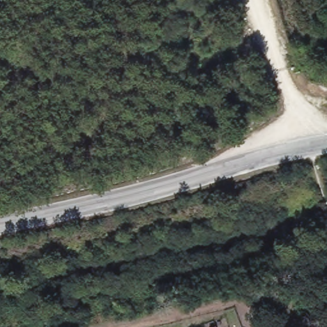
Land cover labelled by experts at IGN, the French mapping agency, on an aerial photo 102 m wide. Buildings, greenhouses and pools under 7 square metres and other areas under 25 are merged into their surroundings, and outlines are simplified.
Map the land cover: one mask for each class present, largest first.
<instances>
[{"label":"coniferous trees","instance_id":"1","mask_svg":"<svg viewBox=\"0 0 327 327\"><path fill-rule=\"evenodd\" d=\"M248 0H0V217L13 213L20 215L27 212L28 207L45 206L80 195H103L107 190L135 181L158 178L170 172L188 169L193 165H203L227 149L241 146L249 135L250 121L270 116L263 111L266 106H271L277 112L278 102L282 98L277 75L270 60L267 59V45L262 34L257 31L248 36L244 32L245 24L248 23L245 18Z\"/></svg>","mask_w":327,"mask_h":327},{"label":"deciduous trees","instance_id":"2","mask_svg":"<svg viewBox=\"0 0 327 327\"><path fill-rule=\"evenodd\" d=\"M321 167V178L326 190L324 195L314 179L312 161L309 158H284L280 165L268 167L247 179L217 178L215 183L204 188L190 192L179 190L172 195L175 203H166L163 207L146 208L134 215L118 213L110 220H101L87 226H65L64 229L24 235L23 238L15 236L11 239H0V327H107L110 322L134 321L151 316L155 310L178 308L180 312L189 313L202 304L213 303L216 300L225 301H244L250 307V312L245 314V318L252 327H284L291 310L298 309L308 310L312 316L317 317L319 326L316 327H327V158H316Z\"/></svg>","mask_w":327,"mask_h":327},{"label":"impervious surface","instance_id":"3","mask_svg":"<svg viewBox=\"0 0 327 327\"><path fill-rule=\"evenodd\" d=\"M327 158V134L300 135L287 139L286 142L250 149L224 160L216 161L215 157L203 165H193L188 169L170 172L158 178L135 181L107 190L103 195H80L45 206L28 207L27 212L20 215L13 213L0 217V239H11L15 236L23 238L24 235L64 229L65 226H87L101 220H110L118 213L134 215L146 208L163 207L166 203H175L172 195L179 190L190 192L204 188L215 183L217 178L247 179L268 167L280 165L284 158H309L312 161L314 179L324 195L326 190L321 178V167L316 158Z\"/></svg>","mask_w":327,"mask_h":327},{"label":"pervious surface","instance_id":"4","mask_svg":"<svg viewBox=\"0 0 327 327\"><path fill-rule=\"evenodd\" d=\"M245 18L248 23L245 24L244 32L248 36L257 31L262 34L267 45V59L270 60L277 75L282 98L285 105L284 114L275 123L249 135L241 146L227 149L215 157L216 161L224 160L250 149L286 142L287 139L300 135L327 134V87L305 80L303 75L286 65V32L278 15L276 0H248ZM226 307L225 301L216 300L213 303L202 304L189 313L180 312L178 308L155 310L151 316L134 321L110 322L107 327H189L206 319L221 316ZM319 326L317 317L312 316L308 310L298 309L291 310L284 327H316Z\"/></svg>","mask_w":327,"mask_h":327},{"label":"brushwood","instance_id":"5","mask_svg":"<svg viewBox=\"0 0 327 327\"><path fill-rule=\"evenodd\" d=\"M294 17L298 22L295 29L303 36L309 34L310 41L308 45L298 47H291L286 42V65L303 75L305 80L327 87V0H291Z\"/></svg>","mask_w":327,"mask_h":327},{"label":"herbaceous vegetation","instance_id":"6","mask_svg":"<svg viewBox=\"0 0 327 327\"><path fill-rule=\"evenodd\" d=\"M278 15L286 32V42L291 47H298L308 45L310 41L309 34L303 36L295 29L298 22L294 17L291 0H276ZM263 111L270 116L250 121L249 135L275 123L284 114L285 105L282 98L278 102L277 112L271 106H266ZM226 307L221 316L206 319L189 327H252L245 318V314L250 312V307L244 301H225Z\"/></svg>","mask_w":327,"mask_h":327}]
</instances>
